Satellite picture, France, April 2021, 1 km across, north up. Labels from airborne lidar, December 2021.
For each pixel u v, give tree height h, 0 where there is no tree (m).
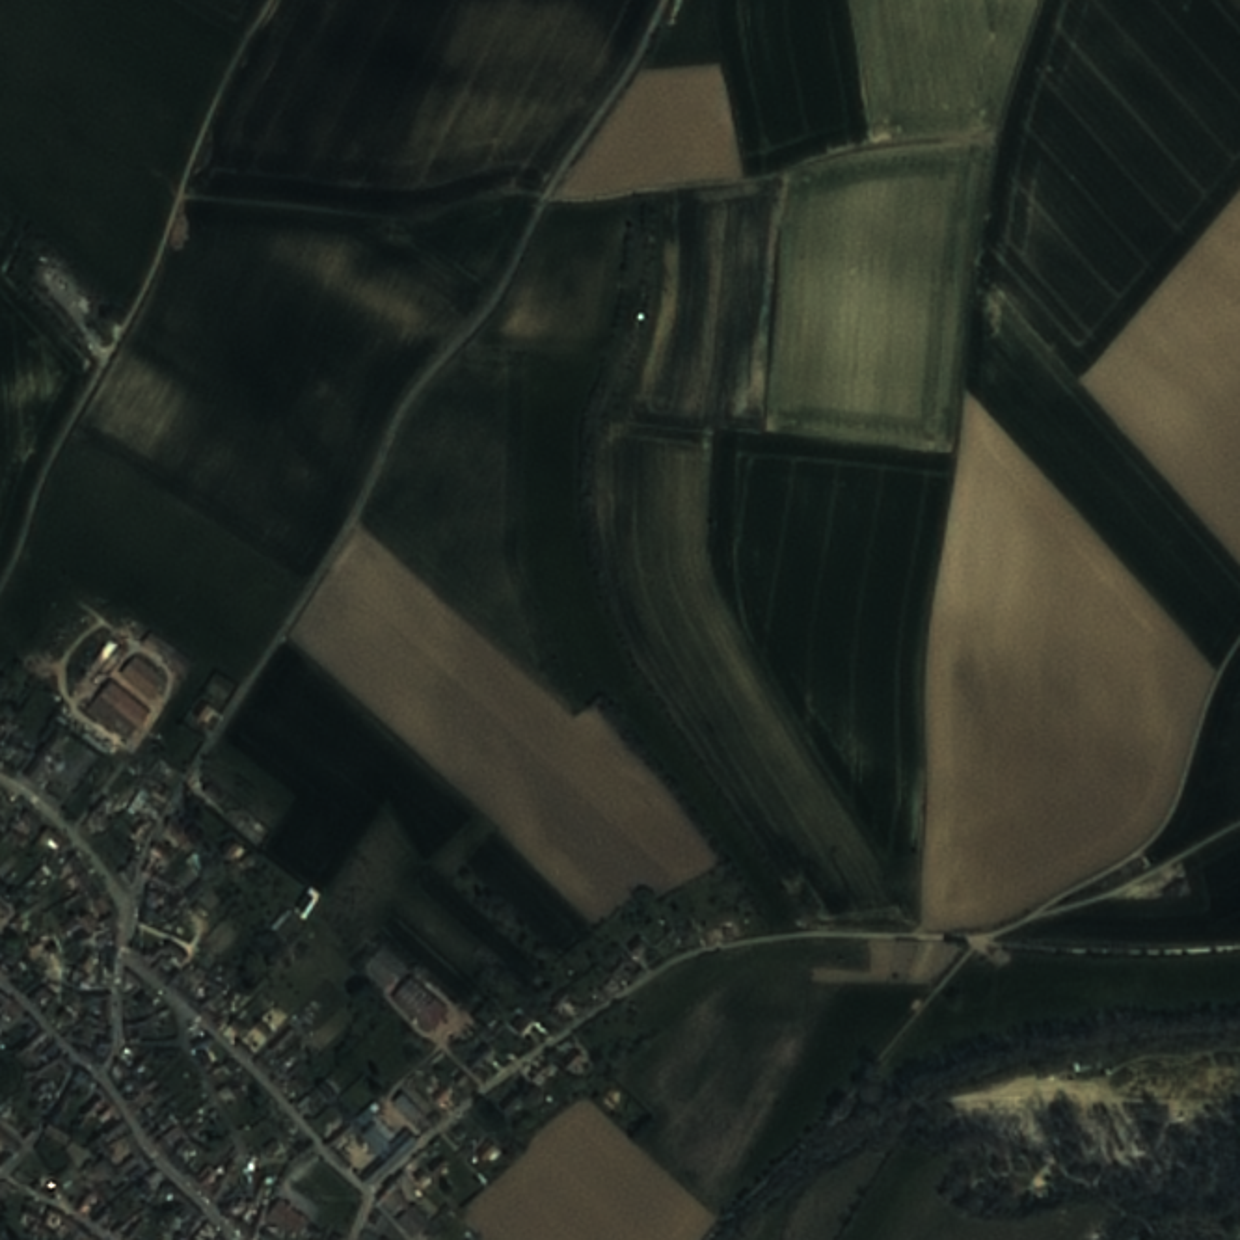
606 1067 15
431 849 0
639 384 0
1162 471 0
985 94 0
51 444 0
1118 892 0
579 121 0
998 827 0
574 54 0
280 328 0
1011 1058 20
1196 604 0
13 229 0
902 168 0
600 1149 0
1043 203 0
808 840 0
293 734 0
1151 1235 11
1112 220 0
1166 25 0
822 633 0
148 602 0
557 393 0
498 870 0
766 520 0
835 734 0
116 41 0
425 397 0
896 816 0
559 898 0
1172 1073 0
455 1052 8
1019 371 0
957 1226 0
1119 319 0
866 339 0
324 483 0
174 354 0
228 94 0
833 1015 0
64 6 0
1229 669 0
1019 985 0
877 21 0
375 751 0
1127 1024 19
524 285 0
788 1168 6
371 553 0
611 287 0
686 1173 0
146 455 0
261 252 0
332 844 0
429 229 0
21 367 0
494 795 0
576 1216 0
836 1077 0
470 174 0
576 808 0
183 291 0
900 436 0
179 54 0
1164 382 0
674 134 0
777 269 0
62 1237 0
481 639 0
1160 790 0
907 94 0
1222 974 0
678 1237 0
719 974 0
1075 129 0
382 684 0
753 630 0
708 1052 0
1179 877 0
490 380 0
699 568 0
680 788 9
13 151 0
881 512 0
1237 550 0
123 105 0
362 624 0
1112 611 0
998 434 0
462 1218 0
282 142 0
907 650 0
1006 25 0
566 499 0
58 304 0
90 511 0
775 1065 0
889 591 0
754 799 0
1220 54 0
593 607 0
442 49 0
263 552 0
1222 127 0
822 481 0
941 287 0
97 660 0
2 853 0
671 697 0
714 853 9
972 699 0
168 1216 10
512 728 0
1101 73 0
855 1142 9
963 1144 19
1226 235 0
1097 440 0
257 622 0
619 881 0
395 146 0
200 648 0
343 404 0
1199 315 0
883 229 0
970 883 0
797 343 0
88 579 0
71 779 0
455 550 0
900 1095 7
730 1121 0
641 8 0
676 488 0
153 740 0
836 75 0
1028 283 0
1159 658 0
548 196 0
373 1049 0
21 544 0
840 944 0
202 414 0
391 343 0
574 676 0
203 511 0
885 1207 0
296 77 0
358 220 0
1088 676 0
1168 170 0
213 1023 0
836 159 0
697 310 0
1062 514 0
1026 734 0
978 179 0
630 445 0
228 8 0
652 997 0
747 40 0
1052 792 0
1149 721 0
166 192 0
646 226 7
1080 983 0
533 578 0
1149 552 0
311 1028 0
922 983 0
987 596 0
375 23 0
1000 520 0
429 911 0
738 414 0
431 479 0
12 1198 0
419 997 0
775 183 0
